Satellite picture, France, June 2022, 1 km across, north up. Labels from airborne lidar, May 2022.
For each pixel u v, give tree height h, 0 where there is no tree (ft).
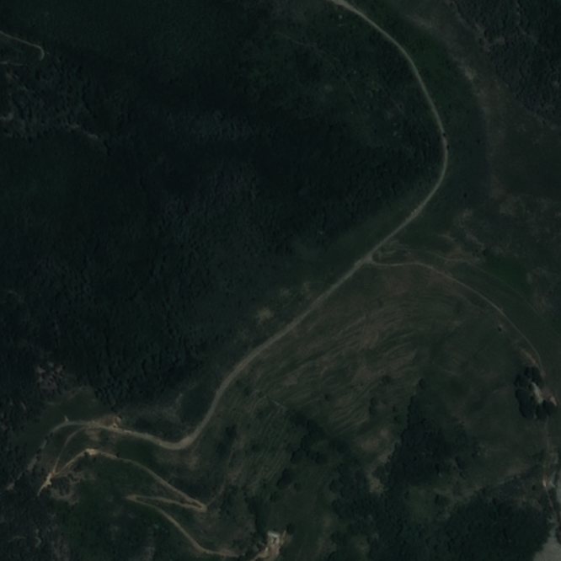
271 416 0
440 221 0
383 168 41
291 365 0
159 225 53
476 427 0
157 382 26
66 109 61
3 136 77
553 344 0
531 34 30
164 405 0
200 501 0
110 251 90
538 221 0
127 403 30
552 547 0
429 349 0
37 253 58
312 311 0
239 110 80
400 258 0
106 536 18
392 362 0
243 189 27
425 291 0
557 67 44
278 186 46
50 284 46
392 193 45
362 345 0
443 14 0
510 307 0
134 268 71
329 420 0
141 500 0
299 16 0
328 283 0
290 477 69
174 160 71
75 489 0
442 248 0
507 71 22
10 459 38
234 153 91
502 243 0
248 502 34
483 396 0
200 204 43
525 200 0
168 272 58
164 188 73
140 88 62
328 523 0
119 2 49
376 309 0
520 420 0
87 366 47
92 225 89
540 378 63
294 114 43
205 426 0
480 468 0
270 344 0
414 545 71
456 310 0
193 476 0
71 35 44
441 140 35
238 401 0
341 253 0
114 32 52
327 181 54
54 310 53
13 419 45
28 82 81
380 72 22
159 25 52
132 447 0
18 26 48
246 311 0
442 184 0
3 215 42
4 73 66
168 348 65
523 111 0
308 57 29
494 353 0
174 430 0
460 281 0
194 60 53
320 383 0
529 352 0
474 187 0
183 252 31
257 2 24
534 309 0
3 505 36
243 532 0
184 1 36
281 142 65
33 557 44
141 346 65
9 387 62
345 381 0
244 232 23
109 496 0
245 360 0
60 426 0
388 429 0
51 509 27
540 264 0
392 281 0
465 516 19
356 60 28
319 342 0
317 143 71
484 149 0
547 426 0
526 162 0
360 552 0
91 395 0
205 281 30
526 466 0
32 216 76
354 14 19
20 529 36
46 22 32
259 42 40
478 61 0
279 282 0
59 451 0
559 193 0
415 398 59
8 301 40
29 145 89
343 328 0
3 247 48
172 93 74
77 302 72
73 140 78
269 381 0
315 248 0
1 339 57
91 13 46
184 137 74
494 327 0
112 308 62
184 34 46
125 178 87
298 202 48
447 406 0
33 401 48
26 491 52
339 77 34
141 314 57
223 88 57
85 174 76
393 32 18
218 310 0
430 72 19
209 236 23
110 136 58
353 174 32
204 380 0
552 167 0
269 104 69
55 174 60
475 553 45
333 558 66
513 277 0
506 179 0
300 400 0
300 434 0
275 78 39
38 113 39
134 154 40
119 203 92
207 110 80
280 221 31
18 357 35
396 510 59
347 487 64
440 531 21
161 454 0
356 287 0
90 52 72
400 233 0
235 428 33
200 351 40
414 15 0
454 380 0
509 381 0
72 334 50
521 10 55
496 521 20
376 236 0
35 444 0
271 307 0
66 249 65
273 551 0
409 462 70
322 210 31
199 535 0
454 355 0
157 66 51
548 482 0
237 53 41
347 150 53
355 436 0
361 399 0
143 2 50
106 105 58
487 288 0
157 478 0
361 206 33
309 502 0
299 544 0
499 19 36
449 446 57
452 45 0
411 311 0
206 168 61
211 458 0
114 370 56
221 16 53
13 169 52
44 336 44
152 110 76
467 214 0
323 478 0
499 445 0
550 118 39
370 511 75
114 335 66
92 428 0
